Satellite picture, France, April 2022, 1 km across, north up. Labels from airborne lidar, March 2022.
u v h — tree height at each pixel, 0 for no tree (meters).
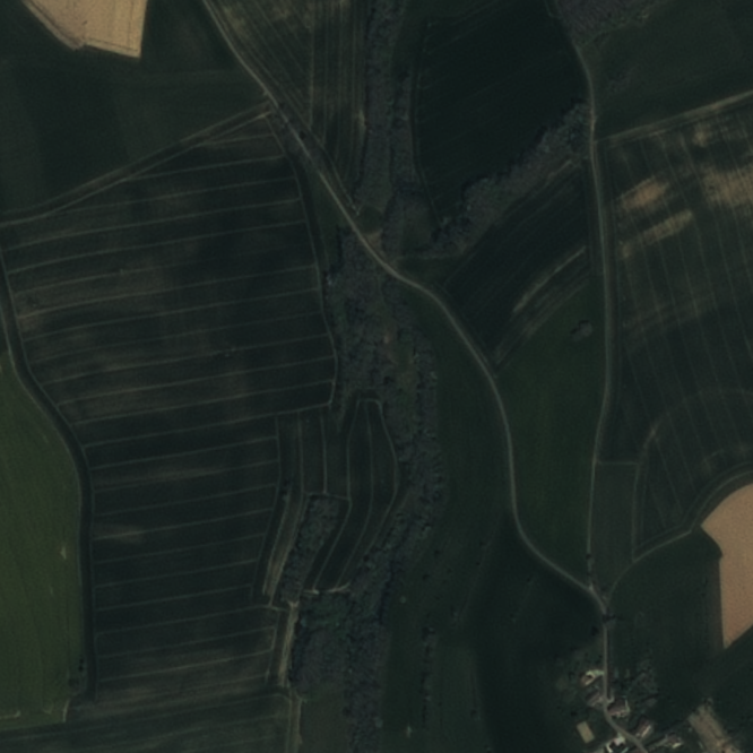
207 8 0
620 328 0
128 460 0
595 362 0
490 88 0
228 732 0
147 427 0
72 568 0
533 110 0
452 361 0
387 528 0
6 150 0
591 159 0
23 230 0
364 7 0
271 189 0
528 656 0
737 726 0
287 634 0
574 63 0
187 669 0
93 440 0
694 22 0
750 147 0
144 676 0
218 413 0
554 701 0
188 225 0
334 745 0
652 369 0
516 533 0
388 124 27
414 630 0
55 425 0
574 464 0
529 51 0
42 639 0
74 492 0
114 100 0
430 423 24
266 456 0
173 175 0
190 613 0
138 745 0
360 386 24
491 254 0
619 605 0
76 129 0
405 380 0
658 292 0
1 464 0
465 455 0
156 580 0
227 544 0
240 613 0
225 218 0
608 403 0
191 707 0
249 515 0
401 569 28
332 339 0
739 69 0
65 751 0
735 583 0
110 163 0
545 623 0
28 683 0
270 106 0
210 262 0
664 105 0
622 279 0
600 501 0
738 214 0
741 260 0
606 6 29
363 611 6
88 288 0
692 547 0
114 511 0
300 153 12
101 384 0
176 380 0
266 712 0
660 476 0
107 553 0
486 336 0
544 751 0
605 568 0
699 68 0
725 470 0
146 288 0
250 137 0
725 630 0
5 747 0
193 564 0
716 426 0
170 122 0
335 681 32
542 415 0
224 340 0
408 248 0
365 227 0
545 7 0
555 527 0
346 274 21
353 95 0
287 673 0
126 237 0
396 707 0
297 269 0
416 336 23
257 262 0
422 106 0
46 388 0
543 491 0
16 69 0
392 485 0
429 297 0
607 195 0
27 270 0
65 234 0
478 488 0
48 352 0
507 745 0
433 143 0
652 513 0
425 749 0
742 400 0
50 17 0
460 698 0
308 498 0
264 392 0
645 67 0
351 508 0
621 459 0
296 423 0
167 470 0
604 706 0
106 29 0
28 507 0
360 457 0
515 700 0
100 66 0
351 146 0
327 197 0
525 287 0
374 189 25
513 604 0
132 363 0
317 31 0
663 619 0
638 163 0
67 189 0
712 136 0
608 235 0
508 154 0
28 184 0
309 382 0
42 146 0
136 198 0
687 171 0
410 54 0
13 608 0
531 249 0
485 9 0
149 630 0
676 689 0
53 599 0
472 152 0
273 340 0
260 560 0
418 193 26
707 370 0
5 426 0
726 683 0
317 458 0
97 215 0
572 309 0
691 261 0
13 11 0
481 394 0
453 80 0
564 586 0
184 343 0
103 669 0
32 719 0
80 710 0
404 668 0
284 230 0
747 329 0
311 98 0
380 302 29
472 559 0
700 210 0
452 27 0
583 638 0
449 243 27
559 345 0
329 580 0
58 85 0
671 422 0
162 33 0
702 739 0
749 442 0
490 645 0
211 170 0
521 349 0
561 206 0
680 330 0
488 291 0
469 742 0
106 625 0
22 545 0
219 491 0
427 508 20
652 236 0
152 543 0
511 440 0
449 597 0
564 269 0
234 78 0
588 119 15
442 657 0
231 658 0
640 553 0
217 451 0
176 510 0
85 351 0
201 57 0
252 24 0
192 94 0
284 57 0
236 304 0
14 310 0
